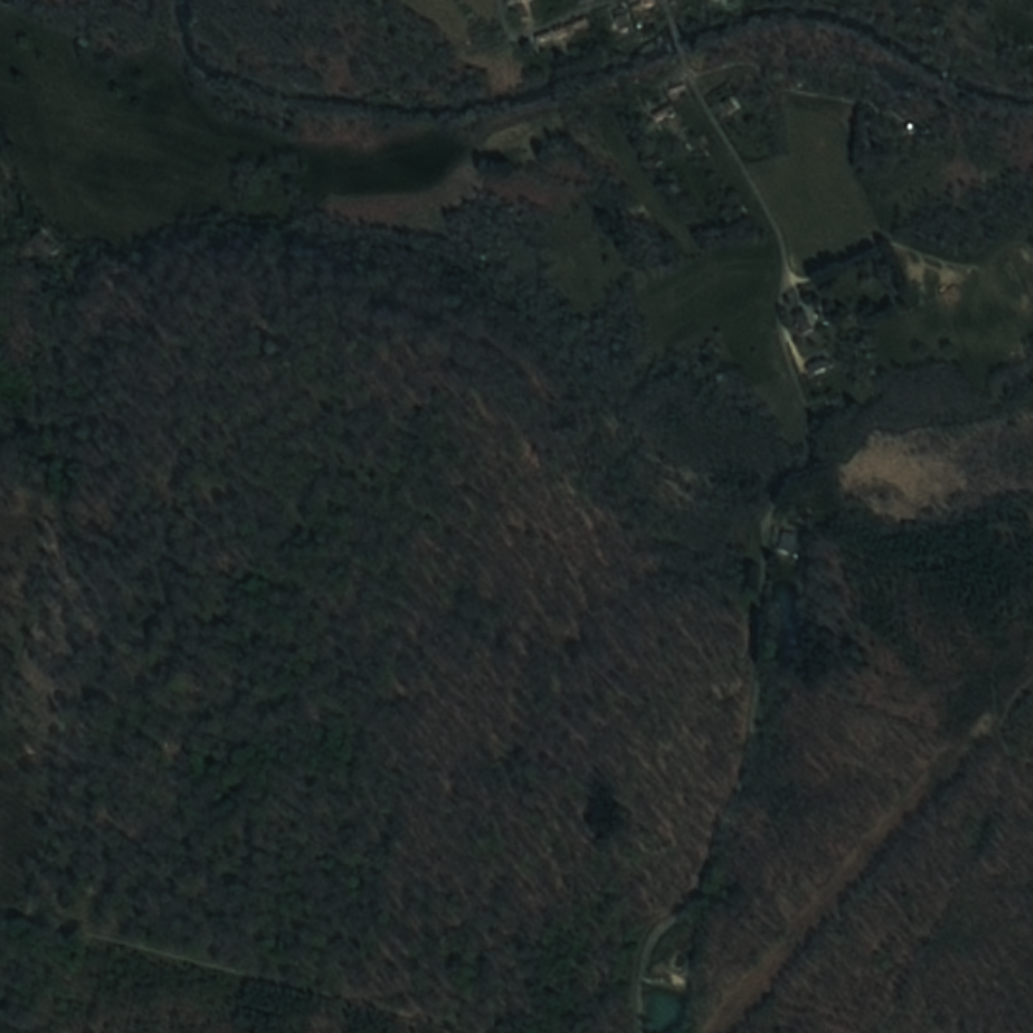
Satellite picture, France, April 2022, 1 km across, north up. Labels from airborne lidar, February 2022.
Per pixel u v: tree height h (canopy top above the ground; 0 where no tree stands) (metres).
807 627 29
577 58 9
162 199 0
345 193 0
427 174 0
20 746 0
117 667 30
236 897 27
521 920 31
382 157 0
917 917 21
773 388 0
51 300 19
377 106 11
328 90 24
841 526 17
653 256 24
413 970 33
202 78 19
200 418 27
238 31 24
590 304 0
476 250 17
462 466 30
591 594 28
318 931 29
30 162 0
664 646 18
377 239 17
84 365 28
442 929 30
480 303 21
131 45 19
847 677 26
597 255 0
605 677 29
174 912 33
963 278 0
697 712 26
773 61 13
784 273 0
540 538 29
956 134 18
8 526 0
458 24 0
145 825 32
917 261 0
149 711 31
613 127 0
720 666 28
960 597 6
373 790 30
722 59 15
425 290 24
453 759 30
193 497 29
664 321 0
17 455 28
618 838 24
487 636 33
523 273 0
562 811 30
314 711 27
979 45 0
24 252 16
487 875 32
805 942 0
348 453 29
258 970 27
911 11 23
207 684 28
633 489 22
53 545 29
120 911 29
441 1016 23
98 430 22
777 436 23
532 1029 27
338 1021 17
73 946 24
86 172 0
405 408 27
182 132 0
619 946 24
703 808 22
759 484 25
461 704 34
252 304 26
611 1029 28
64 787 27
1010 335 0
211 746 30
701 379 10
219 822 26
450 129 19
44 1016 27
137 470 31
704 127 0
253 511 28
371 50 20
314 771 24
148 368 29
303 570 27
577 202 0
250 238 18
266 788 27
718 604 24
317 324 26
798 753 21
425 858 30
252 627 27
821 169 0
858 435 18
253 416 29
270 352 28
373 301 31
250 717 31
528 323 12
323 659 25
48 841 28
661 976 0
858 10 20
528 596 31
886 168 18
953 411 15
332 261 20
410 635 27
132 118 0
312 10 24
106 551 26
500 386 30
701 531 15
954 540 11
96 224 0
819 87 18
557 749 32
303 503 23
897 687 0
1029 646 0
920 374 18
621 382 14
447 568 29
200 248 29
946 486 0
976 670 0
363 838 28
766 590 6
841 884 0
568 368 12
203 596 31
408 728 33
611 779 23
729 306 0
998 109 14
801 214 0
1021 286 0
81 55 18
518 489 30
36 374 20
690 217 9
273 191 12
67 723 29
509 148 0
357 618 19
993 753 22
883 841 0
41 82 0
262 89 17
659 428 16
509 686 28
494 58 0
